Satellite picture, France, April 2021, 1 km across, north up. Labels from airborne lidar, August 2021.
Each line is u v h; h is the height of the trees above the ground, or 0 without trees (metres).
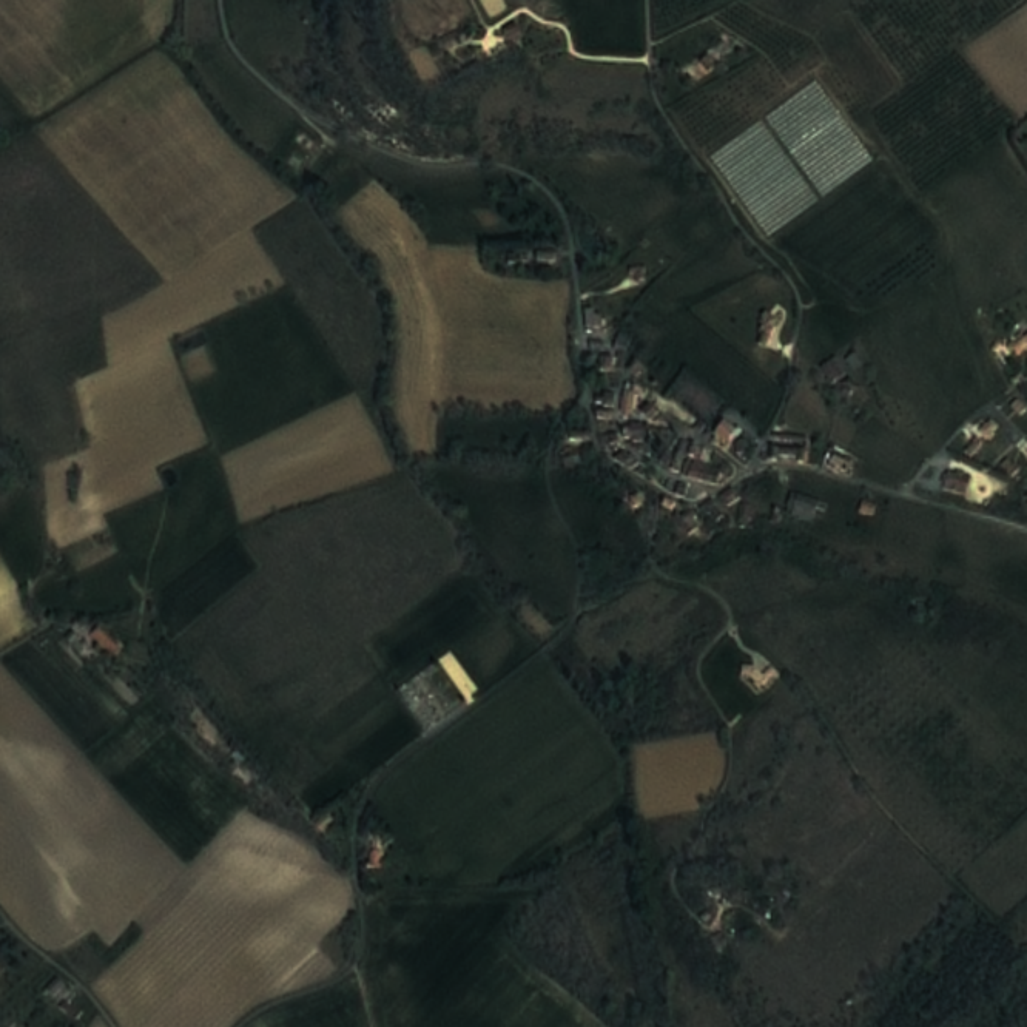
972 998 13
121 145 0
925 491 6
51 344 0
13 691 0
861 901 0
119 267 0
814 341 0
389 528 0
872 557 0
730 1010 11
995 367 0
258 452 0
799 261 0
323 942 0
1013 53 0
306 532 0
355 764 0
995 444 0
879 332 0
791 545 9
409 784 0
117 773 0
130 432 0
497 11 0
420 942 0
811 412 0
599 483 9
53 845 0
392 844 7
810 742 0
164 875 0
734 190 0
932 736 7
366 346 0
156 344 0
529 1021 0
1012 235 0
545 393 0
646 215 0
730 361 0
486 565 6
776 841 0
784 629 0
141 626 0
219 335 0
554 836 0
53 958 0
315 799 0
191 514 0
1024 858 0
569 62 0
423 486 12
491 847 0
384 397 17
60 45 0
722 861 16
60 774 0
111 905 0
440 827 0
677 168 6
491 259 11
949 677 6
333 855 19
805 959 0
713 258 0
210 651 0
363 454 0
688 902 9
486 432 0
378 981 0
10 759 0
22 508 0
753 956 0
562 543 0
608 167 0
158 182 0
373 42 9
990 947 9
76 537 0
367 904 0
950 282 0
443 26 0
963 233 0
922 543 0
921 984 8
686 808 0
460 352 0
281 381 0
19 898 0
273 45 0
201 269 0
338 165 0
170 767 0
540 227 6
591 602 7
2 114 0
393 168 0
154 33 0
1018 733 0
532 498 0
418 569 0
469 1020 0
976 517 0
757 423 0
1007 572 0
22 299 0
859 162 0
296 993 0
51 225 0
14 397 0
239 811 0
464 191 0
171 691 11
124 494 0
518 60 19
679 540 8
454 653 0
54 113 0
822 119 0
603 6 0
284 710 0
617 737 8
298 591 0
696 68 0
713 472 0
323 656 0
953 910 10
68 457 0
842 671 0
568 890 18
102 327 0
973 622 0
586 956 19
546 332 0
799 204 0
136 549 0
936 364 0
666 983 17
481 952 0
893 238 0
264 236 0
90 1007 0
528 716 0
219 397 0
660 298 0
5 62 0
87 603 0
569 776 0
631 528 0
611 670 8
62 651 0
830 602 0
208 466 0
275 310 0
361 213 0
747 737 0
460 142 11
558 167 0
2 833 0
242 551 0
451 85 16
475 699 0
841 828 0
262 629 0
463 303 0
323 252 0
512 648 0
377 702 0
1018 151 7
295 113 0
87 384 0
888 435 0
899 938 0
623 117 0
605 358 0
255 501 0
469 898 0
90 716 0
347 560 0
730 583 0
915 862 0
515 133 14
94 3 0
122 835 0
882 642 0
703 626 8
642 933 18
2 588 0
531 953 8
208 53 0
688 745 0
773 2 0
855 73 0
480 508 0
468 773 0
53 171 0
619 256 8
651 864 11
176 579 0
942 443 0
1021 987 14
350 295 0
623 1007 9
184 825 0
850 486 0
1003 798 6
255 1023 0
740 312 0
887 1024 8
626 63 0
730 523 12
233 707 0
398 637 0
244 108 0
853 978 0
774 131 0
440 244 0
